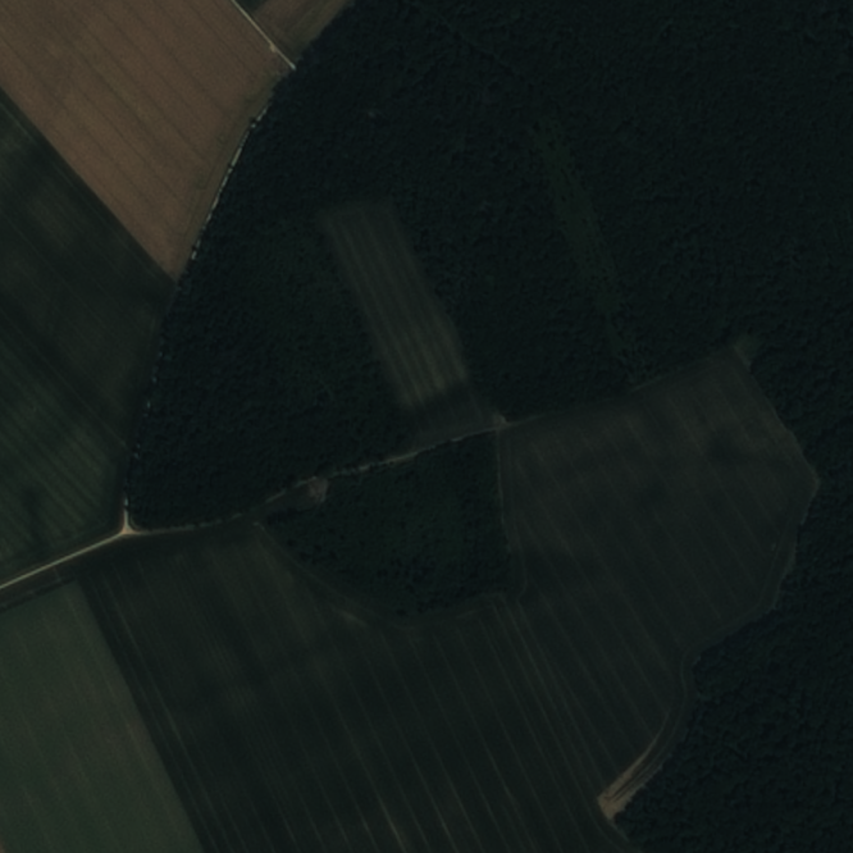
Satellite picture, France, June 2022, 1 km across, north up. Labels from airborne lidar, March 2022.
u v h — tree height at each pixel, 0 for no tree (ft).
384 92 54
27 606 0
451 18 66
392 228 0
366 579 18
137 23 0
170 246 0
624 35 46
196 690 0
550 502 0
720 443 0
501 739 0
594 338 67
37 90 0
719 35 62
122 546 0
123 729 0
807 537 52
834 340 61
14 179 0
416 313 0
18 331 0
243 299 52
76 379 0
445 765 0
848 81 68
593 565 0
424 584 59
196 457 60
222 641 0
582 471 0
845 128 59
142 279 0
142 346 0
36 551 0
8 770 0
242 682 0
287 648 0
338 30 57
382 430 24
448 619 0
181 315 47
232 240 57
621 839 0
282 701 0
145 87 0
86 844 0
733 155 60
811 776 73
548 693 0
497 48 66
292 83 58
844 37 73
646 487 0
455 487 24
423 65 45
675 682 0
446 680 0
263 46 0
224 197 34
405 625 0
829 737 80
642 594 0
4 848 0
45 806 0
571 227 0
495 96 69
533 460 0
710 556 0
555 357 64
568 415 0
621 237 59
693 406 0
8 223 0
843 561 75
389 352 0
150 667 0
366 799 0
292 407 30
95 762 0
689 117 54
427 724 0
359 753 0
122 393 0
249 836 0
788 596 39
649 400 0
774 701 71
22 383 0
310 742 0
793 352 67
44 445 0
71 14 0
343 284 30
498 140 74
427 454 21
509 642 0
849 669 71
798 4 63
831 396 72
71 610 0
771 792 75
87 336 0
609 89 67
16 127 0
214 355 62
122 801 0
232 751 0
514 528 0
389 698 0
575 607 0
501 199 75
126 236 0
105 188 0
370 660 0
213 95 0
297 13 0
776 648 73
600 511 0
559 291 60
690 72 60
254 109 0
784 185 57
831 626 69
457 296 51
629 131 69
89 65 0
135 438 0
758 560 0
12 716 0
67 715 0
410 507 30
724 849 46
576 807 0
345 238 0
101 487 0
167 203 0
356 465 50
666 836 58
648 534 0
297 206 64
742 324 57
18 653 0
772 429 0
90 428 0
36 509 0
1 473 0
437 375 0
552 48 60
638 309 67
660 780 54
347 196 37
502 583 24
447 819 0
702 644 0
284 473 23
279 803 0
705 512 0
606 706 0
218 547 0
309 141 61
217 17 0
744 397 0
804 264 54
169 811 0
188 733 0
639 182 65
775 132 54
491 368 62
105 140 0
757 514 0
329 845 0
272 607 0
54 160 0
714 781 73
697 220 42
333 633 0
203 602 0
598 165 62
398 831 0
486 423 0
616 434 0
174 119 0
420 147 66
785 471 0
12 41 0
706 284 55
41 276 0
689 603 0
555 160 0
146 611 0
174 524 25
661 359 59
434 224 61
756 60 54
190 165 0
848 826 65
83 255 0
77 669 0
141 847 0
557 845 0
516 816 0
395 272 0
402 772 0
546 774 0
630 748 0
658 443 0
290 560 0
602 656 0
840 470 86
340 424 59
